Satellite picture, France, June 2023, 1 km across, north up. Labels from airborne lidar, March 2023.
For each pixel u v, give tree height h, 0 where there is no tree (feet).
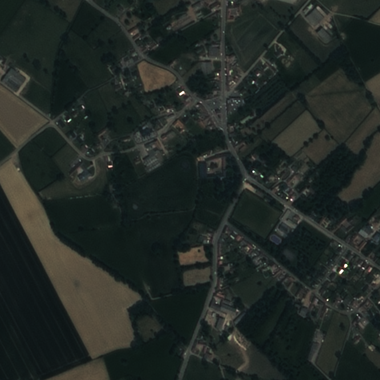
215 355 0
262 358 0
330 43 0
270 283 0
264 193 24
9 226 0
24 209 0
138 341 60
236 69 0
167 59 0
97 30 0
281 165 0
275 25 0
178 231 0
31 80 0
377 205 0
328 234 0
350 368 0
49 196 0
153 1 0
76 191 0
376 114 0
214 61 0
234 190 71
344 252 0
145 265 0
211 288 0
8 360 0
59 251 0
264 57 0
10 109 0
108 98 0
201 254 0
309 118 0
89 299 0
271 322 0
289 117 0
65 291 0
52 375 0
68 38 56
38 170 0
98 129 0
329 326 0
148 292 0
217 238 0
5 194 0
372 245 43
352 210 67
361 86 46
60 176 39
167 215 0
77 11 0
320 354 0
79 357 0
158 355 0
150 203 0
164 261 0
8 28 0
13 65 0
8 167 0
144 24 52
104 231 0
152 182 0
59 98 0
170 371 0
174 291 41
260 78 0
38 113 0
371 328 0
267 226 0
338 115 0
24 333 0
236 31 0
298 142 0
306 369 0
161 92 28
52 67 0
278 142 0
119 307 0
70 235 0
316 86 0
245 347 0
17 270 0
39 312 0
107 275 0
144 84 0
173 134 0
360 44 0
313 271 44
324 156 0
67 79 0
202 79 24
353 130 0
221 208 0
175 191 0
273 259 0
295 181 0
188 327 0
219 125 0
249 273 0
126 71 44
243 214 0
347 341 0
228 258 26
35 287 0
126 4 0
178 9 28
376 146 0
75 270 0
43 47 0
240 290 0
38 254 0
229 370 33
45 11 0
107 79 0
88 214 0
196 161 0
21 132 0
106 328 0
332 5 0
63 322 0
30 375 0
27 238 0
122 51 0
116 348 0
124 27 0
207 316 0
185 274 0
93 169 0
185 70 0
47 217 0
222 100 0
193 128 0
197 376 0
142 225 0
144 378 0
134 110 0
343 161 43
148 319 0
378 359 0
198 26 0
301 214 0
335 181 26
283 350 0
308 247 22
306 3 0
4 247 0
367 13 0
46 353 0
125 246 0
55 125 0
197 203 35
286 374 66
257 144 0
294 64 0
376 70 0
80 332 0
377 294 42
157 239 0
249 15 0
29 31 0
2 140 0
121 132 0
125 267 0
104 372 0
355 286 0
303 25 0
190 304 0
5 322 0
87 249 0
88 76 0
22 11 0
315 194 22
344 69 49
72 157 0
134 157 0
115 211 0
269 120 0
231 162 42
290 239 48
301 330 0
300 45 36
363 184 0
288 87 27
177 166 0
